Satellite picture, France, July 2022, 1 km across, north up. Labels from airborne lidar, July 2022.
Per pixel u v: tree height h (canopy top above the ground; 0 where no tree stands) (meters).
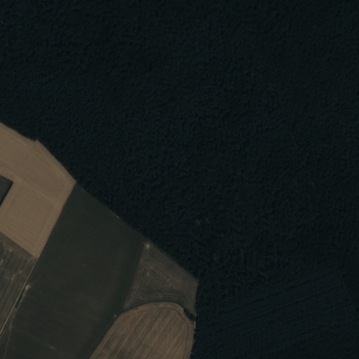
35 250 0
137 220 20
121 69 17
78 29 26
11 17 24
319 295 17
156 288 0
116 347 0
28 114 22
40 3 11
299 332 17
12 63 18
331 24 7
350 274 12
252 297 17
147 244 0
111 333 0
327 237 23
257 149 24
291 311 17
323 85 22
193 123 16
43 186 0
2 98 16
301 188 18
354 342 14
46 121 24
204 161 22
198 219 12
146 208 22
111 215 0
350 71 21
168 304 0
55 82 23
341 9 19
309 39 21
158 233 21
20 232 0
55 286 0
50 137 22
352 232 20
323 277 18
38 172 0
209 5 20
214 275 23
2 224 0
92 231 0
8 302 0
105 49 21
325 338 14
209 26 6
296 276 14
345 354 7
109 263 0
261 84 19
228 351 16
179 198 16
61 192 0
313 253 22
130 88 22
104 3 24
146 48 22
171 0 25
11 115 19
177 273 0
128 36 19
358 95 16
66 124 23
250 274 16
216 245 23
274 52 20
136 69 22
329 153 20
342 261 11
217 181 16
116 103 22
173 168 22
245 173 21
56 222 0
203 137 22
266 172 18
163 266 0
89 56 15
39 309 0
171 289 0
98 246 0
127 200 25
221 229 11
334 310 16
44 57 19
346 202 20
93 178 26
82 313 0
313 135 21
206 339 17
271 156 20
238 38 20
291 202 18
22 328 0
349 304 17
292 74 20
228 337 18
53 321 0
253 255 22
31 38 17
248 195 20
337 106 15
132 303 0
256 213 25
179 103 23
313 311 17
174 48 13
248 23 19
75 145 21
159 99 12
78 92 24
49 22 19
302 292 15
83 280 0
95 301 0
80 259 0
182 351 0
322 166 22
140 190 18
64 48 21
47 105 22
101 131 23
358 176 25
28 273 0
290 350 17
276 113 23
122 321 0
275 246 18
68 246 0
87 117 23
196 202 22
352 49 21
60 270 0
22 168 0
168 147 21
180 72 18
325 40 20
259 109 21
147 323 0
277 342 16
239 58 22
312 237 22
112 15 27
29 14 21
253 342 17
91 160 22
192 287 0
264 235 25
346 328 16
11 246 0
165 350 0
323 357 10
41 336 0
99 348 0
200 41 18
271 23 8
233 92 21
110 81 18
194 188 18
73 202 0
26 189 0
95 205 0
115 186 25
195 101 23
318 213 14
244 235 25
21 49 23
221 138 14
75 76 20
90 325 0
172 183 20
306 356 12
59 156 18
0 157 0
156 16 24
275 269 21
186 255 20
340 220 15
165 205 21
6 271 0
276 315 17
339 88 22
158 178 24
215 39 17
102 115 20
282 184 7
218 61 17
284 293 16
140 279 0
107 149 21
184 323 0
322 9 20
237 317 17
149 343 0
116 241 0
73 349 0
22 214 0
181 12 22
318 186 18
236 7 18
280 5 20
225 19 21
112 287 0
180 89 21
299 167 13
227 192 20
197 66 21
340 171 16
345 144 24
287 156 19
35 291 0
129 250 0
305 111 19
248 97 19
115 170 21
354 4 18
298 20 19
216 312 17
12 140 0
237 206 22
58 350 0
